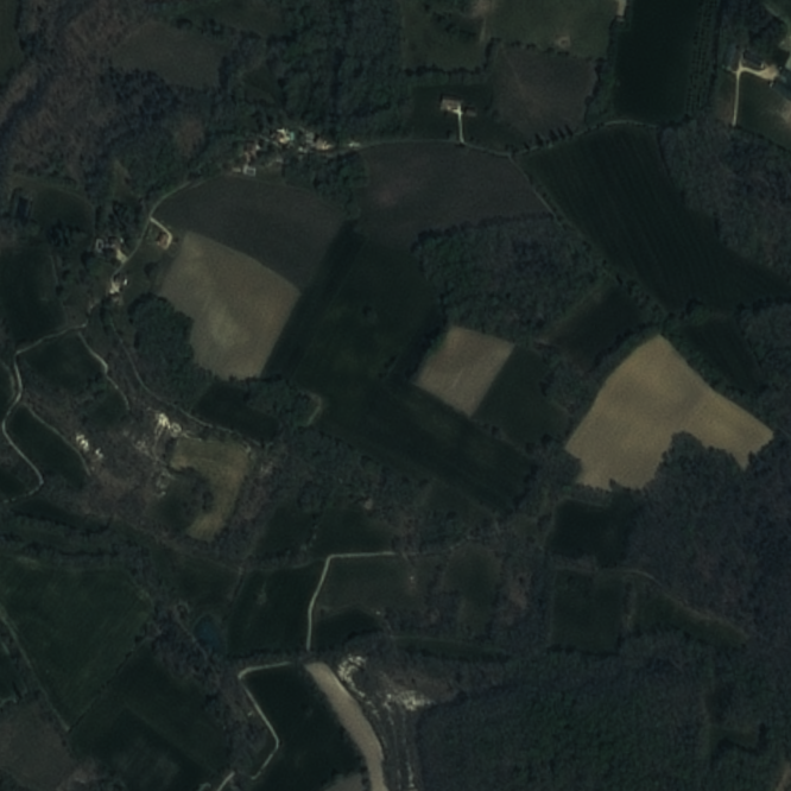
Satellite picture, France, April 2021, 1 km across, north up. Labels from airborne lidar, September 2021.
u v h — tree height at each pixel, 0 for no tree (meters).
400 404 0
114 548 14
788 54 0
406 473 0
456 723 17
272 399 18
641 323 0
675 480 18
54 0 6
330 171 7
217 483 0
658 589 12
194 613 0
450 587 0
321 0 16
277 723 0
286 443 14
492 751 21
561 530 0
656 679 15
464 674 14
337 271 0
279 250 0
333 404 0
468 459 0
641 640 21
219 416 0
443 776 15
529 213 0
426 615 6
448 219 0
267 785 0
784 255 12
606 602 0
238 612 0
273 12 16
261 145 7
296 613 0
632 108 0
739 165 21
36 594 0
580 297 19
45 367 0
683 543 23
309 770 0
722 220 19
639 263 0
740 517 19
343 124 17
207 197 0
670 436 0
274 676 0
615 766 22
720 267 0
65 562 13
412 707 0
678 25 0
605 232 0
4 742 0
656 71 0
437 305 0
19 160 12
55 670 0
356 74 6
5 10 0
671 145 19
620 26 9
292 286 0
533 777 16
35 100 9
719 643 0
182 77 0
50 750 0
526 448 0
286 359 0
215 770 0
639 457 0
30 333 0
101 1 7
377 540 0
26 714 0
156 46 0
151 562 14
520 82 0
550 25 0
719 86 9
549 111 0
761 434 0
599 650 0
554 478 19
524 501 13
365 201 0
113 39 9
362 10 21
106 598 0
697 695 18
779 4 0
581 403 13
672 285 0
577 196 0
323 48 16
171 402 11
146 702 0
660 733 21
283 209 0
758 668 19
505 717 21
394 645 15
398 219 0
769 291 0
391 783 9
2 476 0
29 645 0
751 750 0
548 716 19
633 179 0
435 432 0
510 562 14
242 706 12
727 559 14
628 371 0
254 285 0
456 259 18
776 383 15
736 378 0
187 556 0
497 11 0
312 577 0
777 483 12
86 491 12
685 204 12
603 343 0
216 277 0
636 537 19
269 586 0
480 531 8
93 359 0
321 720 0
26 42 11
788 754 20
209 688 12
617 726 22
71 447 0
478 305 22
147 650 0
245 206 0
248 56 19
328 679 0
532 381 0
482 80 14
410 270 0
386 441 0
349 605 0
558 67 0
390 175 0
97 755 0
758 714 22
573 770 23
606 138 0
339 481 16
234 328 0
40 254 0
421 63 0
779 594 12
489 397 0
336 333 0
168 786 0
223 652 0
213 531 0
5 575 0
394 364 7
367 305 0
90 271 19
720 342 0
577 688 19
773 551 20
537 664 17
